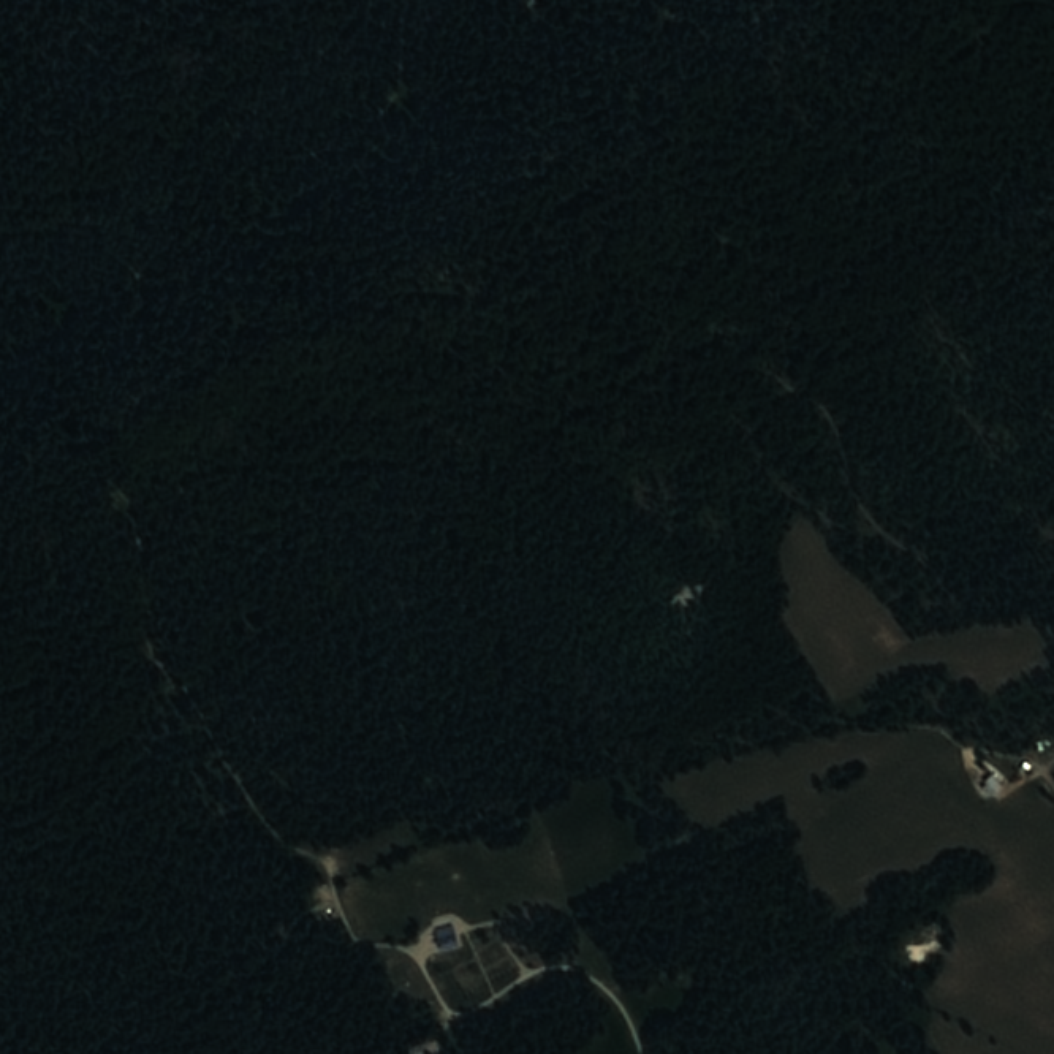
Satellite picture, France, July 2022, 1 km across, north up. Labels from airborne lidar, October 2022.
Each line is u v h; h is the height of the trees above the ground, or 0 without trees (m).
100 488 24
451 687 16
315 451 20
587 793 0
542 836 0
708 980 16
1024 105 9
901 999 26
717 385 24
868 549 10
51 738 11
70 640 16
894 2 12
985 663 0
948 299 19
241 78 18
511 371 22
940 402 20
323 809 25
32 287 18
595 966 0
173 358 16
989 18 7
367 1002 20
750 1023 18
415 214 16
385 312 18
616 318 16
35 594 29
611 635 6
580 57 18
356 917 0
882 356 12
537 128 16
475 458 7
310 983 14
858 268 18
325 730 19
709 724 23
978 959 0
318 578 20
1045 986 0
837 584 0
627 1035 0
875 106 17
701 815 0
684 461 16
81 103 20
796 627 0
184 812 18
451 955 0
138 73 15
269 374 19
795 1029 18
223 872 22
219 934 24
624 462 17
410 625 25
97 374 17
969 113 6
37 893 22
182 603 22
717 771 0
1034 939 0
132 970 20
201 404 13
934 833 0
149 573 16
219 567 24
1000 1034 0
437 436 18
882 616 0
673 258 18
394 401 19
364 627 22
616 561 16
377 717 23
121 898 17
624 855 0
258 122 26
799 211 20
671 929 29
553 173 6
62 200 28
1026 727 9
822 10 16
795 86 18
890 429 14
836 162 18
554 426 9
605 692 17
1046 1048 0
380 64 22
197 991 12
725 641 17
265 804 24
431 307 14
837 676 0
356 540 19
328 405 15
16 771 22
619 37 21
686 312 22
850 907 0
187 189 24
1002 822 0
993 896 0
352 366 19
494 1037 24
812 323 21
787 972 26
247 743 12
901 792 0
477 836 9
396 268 18
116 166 26
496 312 20
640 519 17
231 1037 22
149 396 11
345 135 19
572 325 22
